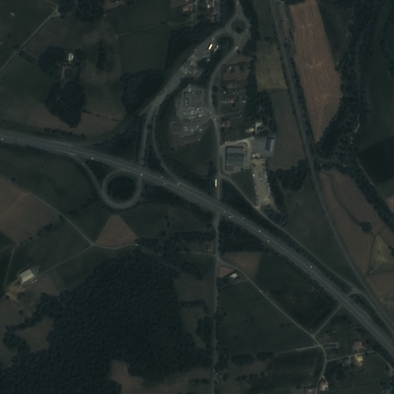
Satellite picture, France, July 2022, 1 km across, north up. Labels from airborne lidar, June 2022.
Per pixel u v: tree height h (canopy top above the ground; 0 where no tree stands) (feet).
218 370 42
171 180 0
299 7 0
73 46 0
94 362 52
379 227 0
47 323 0
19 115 0
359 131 22
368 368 0
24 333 0
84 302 91
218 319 56
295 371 0
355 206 0
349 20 0
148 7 0
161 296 54
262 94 51
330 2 0
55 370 99
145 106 0
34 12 0
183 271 20
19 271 0
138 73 26
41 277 0
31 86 0
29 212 0
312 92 0
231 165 0
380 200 71
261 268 0
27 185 0
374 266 0
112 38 0
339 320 75
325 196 0
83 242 0
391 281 0
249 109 55
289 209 0
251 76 52
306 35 0
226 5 49
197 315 0
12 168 0
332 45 0
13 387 99
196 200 0
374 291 0
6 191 0
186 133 0
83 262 0
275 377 0
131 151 56
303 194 0
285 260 19
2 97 0
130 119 0
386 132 0
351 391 0
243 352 0
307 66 0
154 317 81
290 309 0
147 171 0
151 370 94
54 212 0
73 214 48
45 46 0
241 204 58
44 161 0
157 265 57
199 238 71
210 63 39
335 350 38
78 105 93
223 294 0
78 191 0
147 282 27
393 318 0
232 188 39
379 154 0
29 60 35
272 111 73
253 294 0
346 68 46
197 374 0
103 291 73
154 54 0
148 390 0
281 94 0
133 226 0
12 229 0
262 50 0
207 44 0
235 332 0
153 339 81
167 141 0
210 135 0
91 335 49
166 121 0
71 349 86
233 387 0
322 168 45
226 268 0
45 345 0
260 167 0
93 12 63
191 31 55
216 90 48
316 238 0
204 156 0
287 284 0
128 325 57
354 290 0
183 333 80
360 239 0
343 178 0
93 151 0
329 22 0
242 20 0
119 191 74
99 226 0
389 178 0
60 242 0
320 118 0
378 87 0
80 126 0
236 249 32
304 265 0
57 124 0
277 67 0
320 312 0
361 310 0
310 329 0
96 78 0
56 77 44
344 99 41
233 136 0
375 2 69
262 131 50
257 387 0
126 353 75
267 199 0
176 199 39
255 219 42
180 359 47
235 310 0
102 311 66
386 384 31
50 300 40
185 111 0
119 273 81
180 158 0
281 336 0
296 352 0
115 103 0
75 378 123
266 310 0
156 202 32
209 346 59
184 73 0
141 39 0
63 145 0
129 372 48
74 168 0
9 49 0
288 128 0
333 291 0
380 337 0
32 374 102
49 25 0
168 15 0
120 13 0
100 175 43
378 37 0
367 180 48
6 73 0
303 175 52
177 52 61
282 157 0
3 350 0
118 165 0
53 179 0
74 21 0
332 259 0
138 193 0
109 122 0
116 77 0
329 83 0
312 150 25
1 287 0
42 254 0
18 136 0
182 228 0
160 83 57
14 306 0
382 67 0
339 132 63
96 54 0
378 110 0
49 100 52
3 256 0
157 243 70
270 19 0
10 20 0
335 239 0
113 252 0
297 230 0
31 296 0
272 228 32
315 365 0
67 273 0
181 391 0
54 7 0
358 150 35
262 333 0
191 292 0
